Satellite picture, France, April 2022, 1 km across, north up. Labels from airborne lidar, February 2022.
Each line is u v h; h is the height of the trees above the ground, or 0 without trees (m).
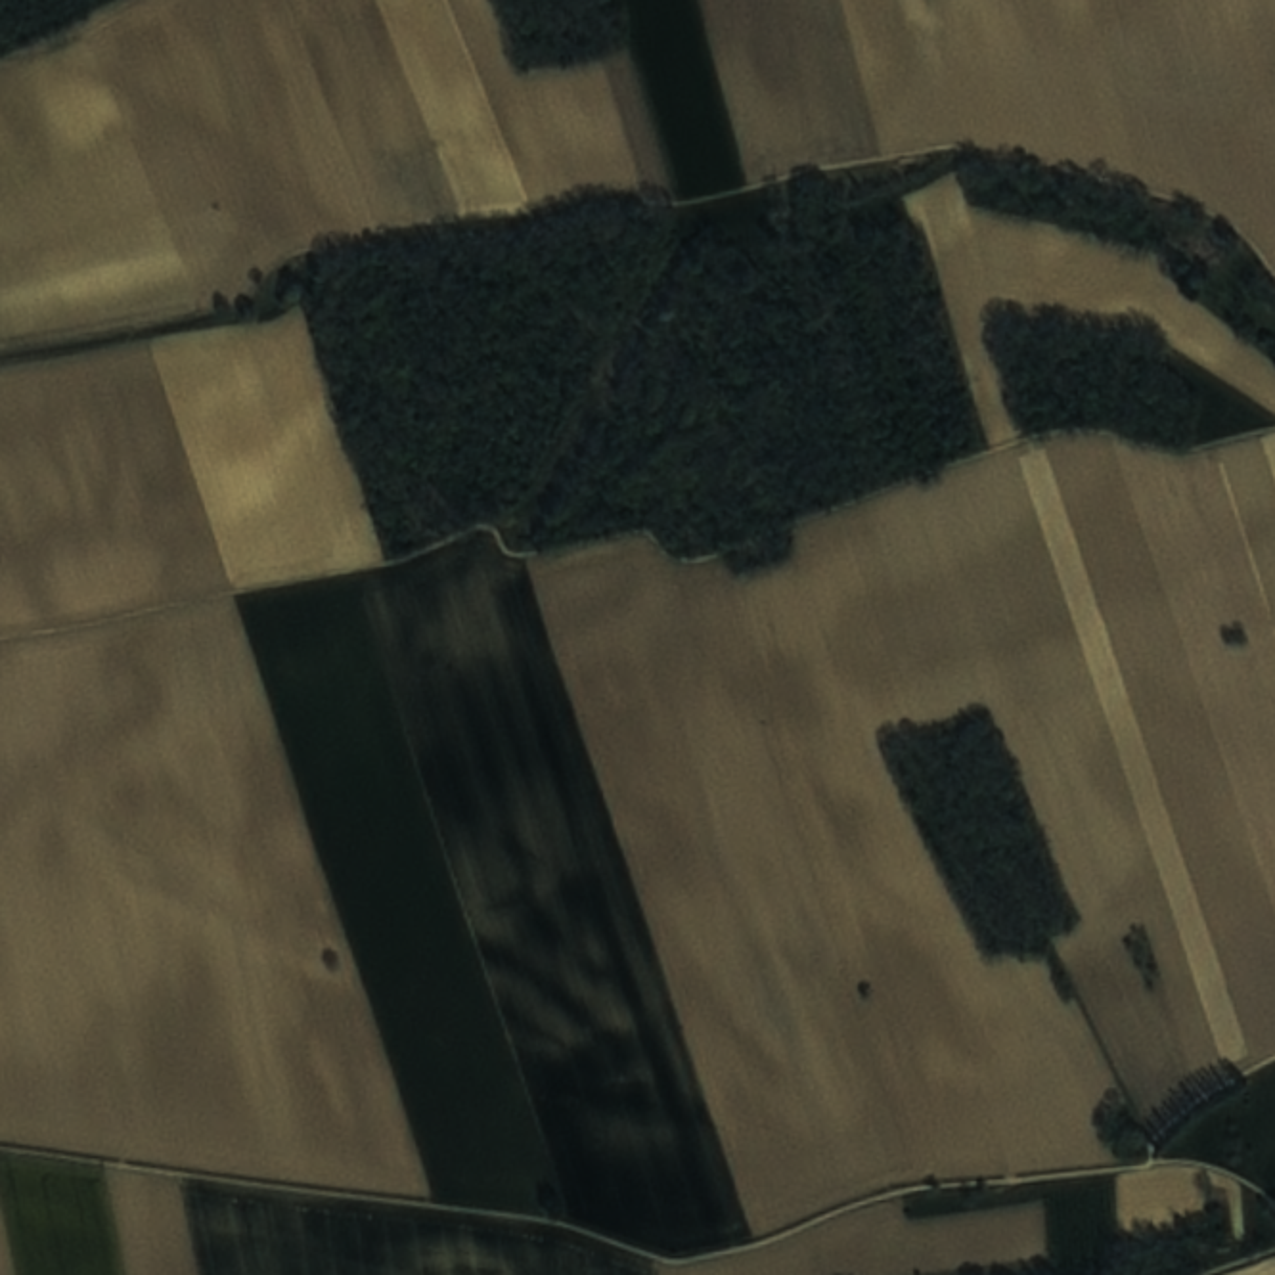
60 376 0
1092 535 0
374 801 0
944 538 0
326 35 0
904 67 0
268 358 0
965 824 21
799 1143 0
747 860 0
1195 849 0
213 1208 0
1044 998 0
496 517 25
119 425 0
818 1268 0
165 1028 0
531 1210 0
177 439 0
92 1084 0
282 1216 0
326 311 26
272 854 0
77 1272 0
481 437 12
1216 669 0
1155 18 0
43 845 0
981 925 23
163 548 0
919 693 0
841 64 0
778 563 18
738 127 0
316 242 0
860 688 0
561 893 0
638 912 0
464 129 0
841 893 0
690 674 0
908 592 0
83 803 0
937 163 12
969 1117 0
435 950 0
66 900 0
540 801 0
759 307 30
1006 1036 0
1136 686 0
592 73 0
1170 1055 0
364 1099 0
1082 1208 0
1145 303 0
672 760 0
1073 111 0
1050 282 0
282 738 0
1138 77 0
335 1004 0
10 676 0
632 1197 0
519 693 0
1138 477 0
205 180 0
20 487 0
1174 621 0
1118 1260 27
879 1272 0
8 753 0
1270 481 0
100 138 0
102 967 0
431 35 0
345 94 0
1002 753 25
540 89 0
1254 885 0
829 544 0
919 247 21
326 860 0
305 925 0
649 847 0
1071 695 0
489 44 0
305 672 0
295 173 0
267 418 0
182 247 0
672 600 0
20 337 0
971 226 0
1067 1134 0
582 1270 0
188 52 0
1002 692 0
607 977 0
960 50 0
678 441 31
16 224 0
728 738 0
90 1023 0
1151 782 0
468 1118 0
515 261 25
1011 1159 0
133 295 0
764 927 0
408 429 32
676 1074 0
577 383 20
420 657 0
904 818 0
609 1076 0
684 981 0
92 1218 0
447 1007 0
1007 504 0
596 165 0
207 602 0
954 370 22
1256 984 0
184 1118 0
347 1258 0
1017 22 0
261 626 0
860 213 0
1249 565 0
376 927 0
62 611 0
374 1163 0
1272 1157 0
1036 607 0
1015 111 0
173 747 0
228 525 0
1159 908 0
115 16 0
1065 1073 0
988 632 0
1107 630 0
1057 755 0
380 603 0
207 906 0
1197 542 0
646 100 0
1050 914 24
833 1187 0
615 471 23
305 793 0
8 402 0
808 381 30
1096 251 0
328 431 0
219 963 0
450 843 0
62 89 0
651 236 28
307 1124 0
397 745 0
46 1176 0
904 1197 0
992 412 0
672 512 31
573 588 0
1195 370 0
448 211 0
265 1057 0
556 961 0
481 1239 0
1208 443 0
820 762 0
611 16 22
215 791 0
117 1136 0
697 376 33
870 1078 0
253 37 0
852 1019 0
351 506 0
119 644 0
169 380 0
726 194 0
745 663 0
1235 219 0
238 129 0
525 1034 0
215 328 0
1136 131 0
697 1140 0
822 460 29
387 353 31
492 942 0
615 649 0
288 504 0
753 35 0
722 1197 0
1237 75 0
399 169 0
